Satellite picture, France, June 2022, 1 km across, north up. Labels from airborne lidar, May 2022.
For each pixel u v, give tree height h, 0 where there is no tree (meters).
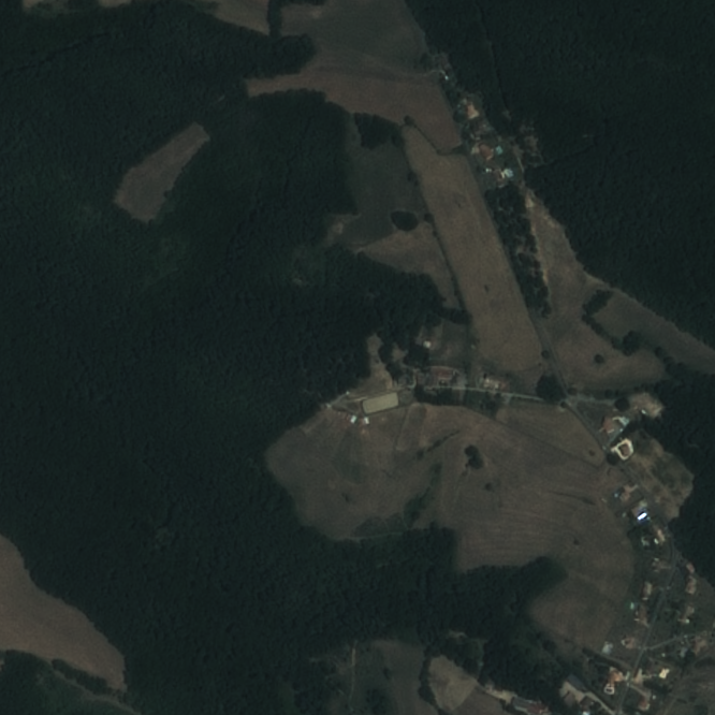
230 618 27
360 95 0
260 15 0
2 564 0
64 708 8
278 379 15
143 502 32
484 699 0
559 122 16
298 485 0
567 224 15
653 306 11
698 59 10
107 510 22
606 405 0
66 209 12
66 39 10
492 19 24
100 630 10
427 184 0
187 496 26
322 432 0
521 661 26
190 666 17
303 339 21
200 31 11
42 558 20
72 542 22
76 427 25
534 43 17
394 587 14
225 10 0
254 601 30
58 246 17
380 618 18
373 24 0
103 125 16
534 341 0
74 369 25
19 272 29
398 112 0
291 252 12
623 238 14
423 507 7
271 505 17
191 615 32
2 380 21
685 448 19
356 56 0
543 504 0
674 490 0
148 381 21
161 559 26
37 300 22
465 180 0
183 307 15
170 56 18
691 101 24
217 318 32
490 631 22
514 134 9
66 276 20
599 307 13
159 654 13
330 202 23
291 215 23
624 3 28
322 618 30
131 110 12
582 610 0
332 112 15
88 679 12
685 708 0
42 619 0
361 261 10
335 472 0
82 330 22
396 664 0
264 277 16
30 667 12
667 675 0
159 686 10
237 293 10
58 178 9
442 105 0
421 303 21
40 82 22
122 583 24
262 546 26
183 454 21
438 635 17
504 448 0
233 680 30
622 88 19
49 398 31
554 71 16
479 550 0
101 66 15
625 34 13
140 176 0
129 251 12
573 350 0
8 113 21
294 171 16
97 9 7
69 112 16
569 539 0
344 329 15
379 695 9
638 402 0
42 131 14
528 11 22
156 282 7
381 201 0
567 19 25
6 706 16
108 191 14
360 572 19
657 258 11
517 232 16
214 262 23
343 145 9
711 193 26
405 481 0
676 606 6
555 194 8
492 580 20
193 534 30
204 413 19
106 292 18
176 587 25
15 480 23
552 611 0
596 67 18
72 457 24
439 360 0
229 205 13
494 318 0
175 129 13
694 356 0
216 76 11
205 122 11
